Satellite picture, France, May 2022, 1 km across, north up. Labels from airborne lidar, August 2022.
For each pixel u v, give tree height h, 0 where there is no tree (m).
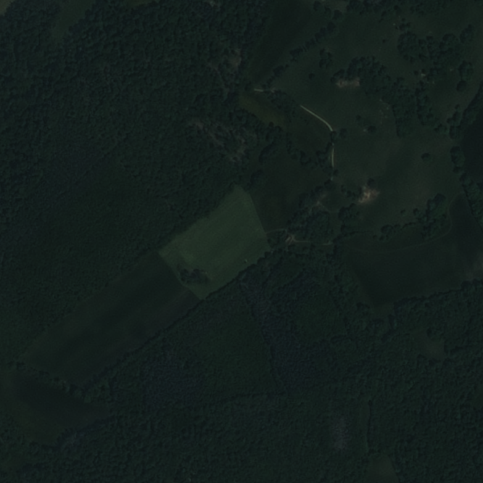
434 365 18
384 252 0
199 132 21
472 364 17
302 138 0
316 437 23
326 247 0
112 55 20
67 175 10
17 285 12
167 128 20
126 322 0
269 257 17
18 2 18
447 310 10
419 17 16
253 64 0
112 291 0
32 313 18
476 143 0
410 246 0
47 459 20
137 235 18
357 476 16
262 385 12
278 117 0
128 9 17
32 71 26
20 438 21
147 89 18
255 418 20
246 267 0
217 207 18
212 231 0
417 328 14
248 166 20
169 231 17
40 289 19
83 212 15
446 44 13
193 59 26
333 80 9
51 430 0
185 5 17
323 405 18
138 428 24
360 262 0
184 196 23
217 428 21
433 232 23
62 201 14
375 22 0
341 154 0
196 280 20
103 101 21
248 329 11
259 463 23
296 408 23
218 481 15
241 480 19
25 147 27
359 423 17
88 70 20
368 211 0
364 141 0
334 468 21
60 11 18
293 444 22
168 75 15
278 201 0
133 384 17
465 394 21
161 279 0
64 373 0
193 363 19
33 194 13
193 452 20
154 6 19
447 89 0
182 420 12
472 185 23
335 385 24
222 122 22
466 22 0
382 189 0
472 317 14
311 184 0
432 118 20
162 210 18
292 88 0
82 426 0
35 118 30
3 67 17
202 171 22
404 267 0
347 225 15
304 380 22
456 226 0
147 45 23
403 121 21
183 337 11
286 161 0
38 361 0
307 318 10
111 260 16
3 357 13
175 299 0
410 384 21
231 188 18
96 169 15
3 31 19
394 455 18
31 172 16
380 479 0
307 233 28
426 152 0
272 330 28
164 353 17
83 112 16
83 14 0
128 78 21
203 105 28
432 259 0
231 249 0
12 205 20
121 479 18
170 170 23
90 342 0
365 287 0
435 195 0
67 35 0
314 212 13
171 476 21
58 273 19
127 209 16
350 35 0
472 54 0
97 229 19
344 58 0
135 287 0
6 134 22
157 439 26
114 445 14
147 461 21
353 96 0
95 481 17
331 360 19
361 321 20
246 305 7
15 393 0
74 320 0
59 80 19
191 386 24
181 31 9
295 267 13
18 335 14
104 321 0
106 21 30
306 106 0
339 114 0
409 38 18
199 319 10
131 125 17
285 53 0
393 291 0
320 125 0
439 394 19
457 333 6
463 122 14
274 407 27
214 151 23
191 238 0
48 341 0
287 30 0
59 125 12
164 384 26
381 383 15
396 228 9
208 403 13
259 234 0
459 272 0
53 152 12
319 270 19
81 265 17
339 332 14
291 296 17
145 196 16
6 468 0
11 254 13
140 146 19
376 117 0
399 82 14
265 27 17
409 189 0
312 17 0
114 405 19
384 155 0
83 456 23
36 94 17
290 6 0
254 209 0
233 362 14
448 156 0
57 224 15
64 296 21
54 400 0
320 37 19
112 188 11
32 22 26
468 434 19
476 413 25
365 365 17
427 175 0
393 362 16
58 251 18
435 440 20
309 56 0
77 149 13
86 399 22
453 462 10
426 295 0
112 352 0
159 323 0
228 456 23
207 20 26
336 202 0
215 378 14
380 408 15
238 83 19
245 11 18
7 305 14
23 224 14
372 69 15
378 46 0
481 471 19
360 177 0
